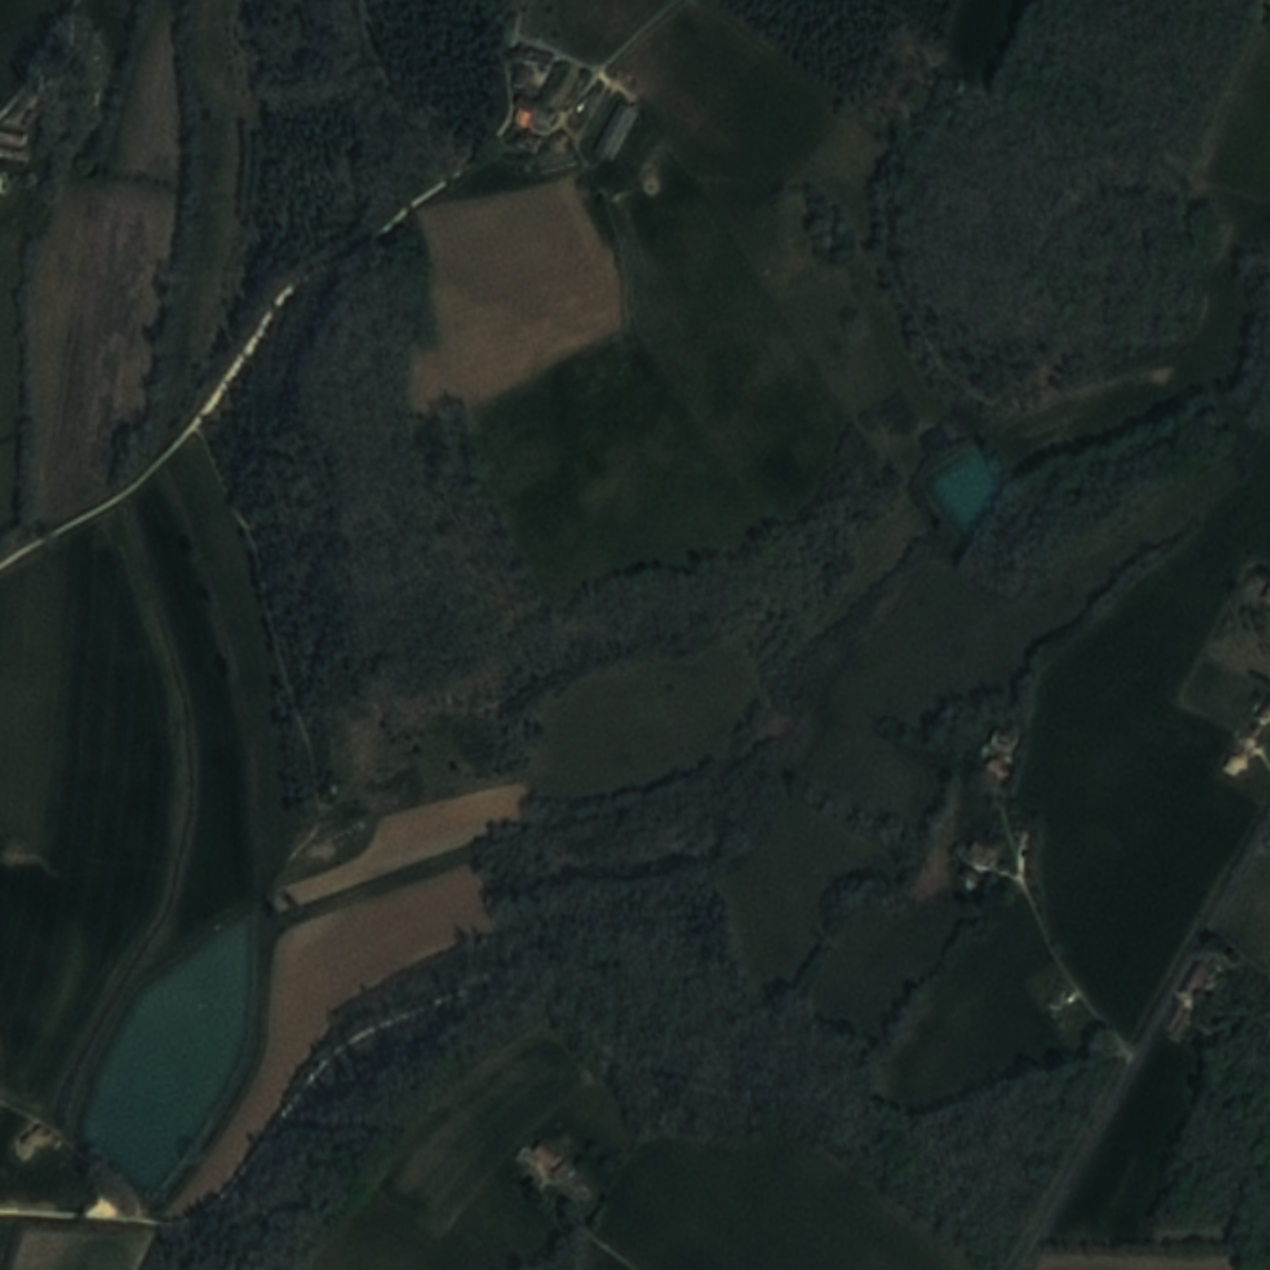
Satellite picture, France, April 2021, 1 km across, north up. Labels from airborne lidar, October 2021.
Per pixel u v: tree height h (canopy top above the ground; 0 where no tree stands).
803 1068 19
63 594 0
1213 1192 22
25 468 15
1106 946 0
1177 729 0
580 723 0
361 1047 7
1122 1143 0
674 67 0
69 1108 0
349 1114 16
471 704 11
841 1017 0
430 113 18
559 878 6
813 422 0
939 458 6
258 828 0
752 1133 14
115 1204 35
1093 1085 18
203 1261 9
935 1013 0
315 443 16
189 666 0
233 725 0
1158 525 0
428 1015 10
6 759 0
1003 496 18
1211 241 27
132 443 25
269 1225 13
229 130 0
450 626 17
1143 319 24
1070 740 0
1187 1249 14
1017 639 0
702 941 14
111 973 0
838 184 0
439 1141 0
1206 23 18
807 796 16
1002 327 15
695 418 0
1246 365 17
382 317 21
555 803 9
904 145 18
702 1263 0
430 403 0
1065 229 20
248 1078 0
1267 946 0
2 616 0
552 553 0
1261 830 0
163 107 0
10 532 11
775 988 0
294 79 7
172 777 0
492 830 9
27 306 14
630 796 11
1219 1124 20
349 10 21
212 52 0
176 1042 0
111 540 0
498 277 0
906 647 0
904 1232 0
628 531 0
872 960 0
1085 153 19
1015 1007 0
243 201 11
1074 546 17
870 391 0
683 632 15
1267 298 15
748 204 0
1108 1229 0
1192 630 0
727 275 0
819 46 18
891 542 0
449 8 18
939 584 0
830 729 0
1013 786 9
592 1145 7
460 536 20
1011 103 21
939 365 19
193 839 0
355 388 15
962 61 0
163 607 0
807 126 0
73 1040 0
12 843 0
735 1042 20
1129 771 0
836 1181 0
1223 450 17
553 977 17
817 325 0
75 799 0
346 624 13
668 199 0
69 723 0
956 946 12
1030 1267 0
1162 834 0
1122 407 0
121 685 0
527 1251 0
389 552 17
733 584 19
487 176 0
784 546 18
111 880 0
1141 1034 0
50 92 20
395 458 17
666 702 0
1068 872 0
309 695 15
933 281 15
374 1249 0
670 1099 21
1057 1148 21
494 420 0
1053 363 23
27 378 10
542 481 0
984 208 19
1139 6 18
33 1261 0
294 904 17
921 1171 19
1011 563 15
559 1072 0
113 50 0
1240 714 0
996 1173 20
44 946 0
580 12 0
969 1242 20
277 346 7
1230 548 0
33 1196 0
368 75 21
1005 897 15
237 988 0
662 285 0
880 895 19
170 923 0
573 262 0
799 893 0
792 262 0
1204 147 20
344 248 12
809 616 19
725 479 0
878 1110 15
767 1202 0
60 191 17
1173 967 0
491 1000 13
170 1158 0
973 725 16
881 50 16
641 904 16
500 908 19
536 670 13
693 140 0
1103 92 19
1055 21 20
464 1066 16
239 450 8
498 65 16
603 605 15
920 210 17
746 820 15
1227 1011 6
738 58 0
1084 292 17
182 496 0
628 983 20
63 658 0
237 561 0
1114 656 0
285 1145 17
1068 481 20
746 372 0
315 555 15
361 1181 29
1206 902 0
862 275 0
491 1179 0
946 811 13
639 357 0
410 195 8
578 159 6
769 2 19
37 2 0
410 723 13
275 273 11
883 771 0
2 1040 0
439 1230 0
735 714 0
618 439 0
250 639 0
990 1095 16
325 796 9
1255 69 0
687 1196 0
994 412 10
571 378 0
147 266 0
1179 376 0
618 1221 0
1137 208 22
